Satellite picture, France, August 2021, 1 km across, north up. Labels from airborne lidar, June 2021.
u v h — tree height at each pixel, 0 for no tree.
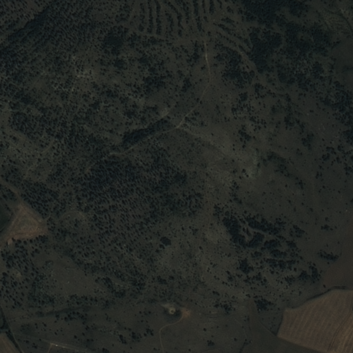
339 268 0
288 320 0
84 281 0
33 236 0
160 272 0
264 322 0
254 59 8
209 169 0
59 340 0
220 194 0
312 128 0
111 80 0
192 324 0
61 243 0
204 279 0
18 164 0
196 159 0
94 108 5
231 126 0
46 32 8
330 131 0
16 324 0
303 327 0
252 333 0
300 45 6
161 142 0
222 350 0
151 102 0
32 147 0
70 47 6
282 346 0
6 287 7
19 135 0
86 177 13
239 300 0
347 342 0
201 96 0
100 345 0
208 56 0
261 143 0
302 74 8
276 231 11
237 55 7
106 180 13
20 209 0
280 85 0
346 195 0
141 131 7
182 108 0
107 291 0
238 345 0
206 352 0
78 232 0
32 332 0
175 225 0
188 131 0
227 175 0
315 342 0
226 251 0
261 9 9
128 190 10
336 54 0
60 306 0
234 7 0
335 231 0
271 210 0
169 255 0
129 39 7
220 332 0
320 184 0
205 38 0
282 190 0
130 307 0
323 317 0
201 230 0
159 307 0
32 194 11
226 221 9
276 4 9
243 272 6
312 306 0
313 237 0
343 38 0
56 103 0
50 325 0
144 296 0
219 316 0
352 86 0
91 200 7
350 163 0
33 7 0
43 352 0
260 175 0
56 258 0
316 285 0
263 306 8
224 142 0
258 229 10
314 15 0
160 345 0
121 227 12
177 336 0
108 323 0
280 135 0
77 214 0
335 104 7
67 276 0
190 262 0
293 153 0
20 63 10
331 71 8
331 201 0
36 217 0
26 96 7
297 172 0
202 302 0
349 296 0
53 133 7
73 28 9
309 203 0
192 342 0
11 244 0
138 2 0
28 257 0
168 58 7
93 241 7
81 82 0
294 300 0
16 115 9
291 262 8
